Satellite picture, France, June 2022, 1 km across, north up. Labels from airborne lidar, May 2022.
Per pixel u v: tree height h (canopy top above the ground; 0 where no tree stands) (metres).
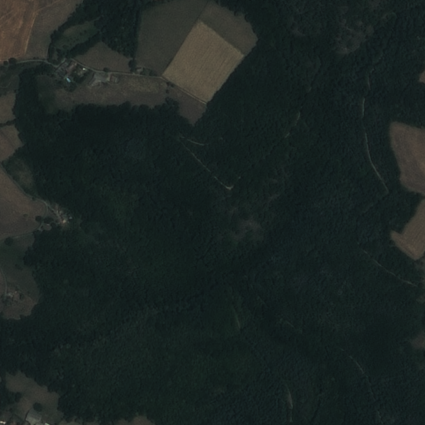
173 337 13
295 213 20
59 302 11
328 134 22
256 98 21
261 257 16
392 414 7
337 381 24
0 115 0
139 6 27
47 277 14
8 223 0
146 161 19
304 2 8
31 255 21
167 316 25
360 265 16
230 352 19
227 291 20
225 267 12
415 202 15
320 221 15
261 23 19
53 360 15
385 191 16
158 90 0
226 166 14
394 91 13
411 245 0
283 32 29
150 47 0
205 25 0
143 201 31
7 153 0
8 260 0
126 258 13
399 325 12
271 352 19
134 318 22
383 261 15
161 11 0
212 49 0
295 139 22
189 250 32
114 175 27
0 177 0
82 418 14
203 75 0
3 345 24
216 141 11
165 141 12
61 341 21
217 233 15
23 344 25
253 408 24
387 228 16
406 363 12
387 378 9
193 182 9
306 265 14
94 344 19
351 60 16
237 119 17
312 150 13
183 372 11
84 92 0
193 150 7
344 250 11
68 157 13
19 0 0
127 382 12
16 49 0
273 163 22
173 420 16
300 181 23
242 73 18
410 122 14
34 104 16
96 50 0
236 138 16
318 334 18
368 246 19
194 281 30
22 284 0
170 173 12
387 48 9
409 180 0
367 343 17
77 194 16
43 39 0
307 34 14
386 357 13
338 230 11
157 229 24
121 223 11
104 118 14
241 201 10
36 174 11
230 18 0
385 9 8
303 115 16
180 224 21
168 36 0
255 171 23
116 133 10
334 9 18
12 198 0
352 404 17
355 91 16
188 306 16
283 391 20
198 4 0
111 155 23
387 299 14
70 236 9
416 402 9
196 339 13
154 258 13
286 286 14
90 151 20
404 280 11
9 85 0
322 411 19
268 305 14
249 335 23
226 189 9
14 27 0
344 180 9
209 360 12
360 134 12
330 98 19
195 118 0
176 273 21
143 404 15
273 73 19
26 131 20
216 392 17
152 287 21
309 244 13
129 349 14
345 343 14
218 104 17
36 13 0
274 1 9
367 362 12
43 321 12
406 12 22
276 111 23
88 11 14
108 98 0
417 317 9
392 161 6
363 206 18
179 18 0
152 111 13
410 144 0
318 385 15
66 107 0
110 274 16
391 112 12
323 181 16
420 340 0
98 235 9
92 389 14
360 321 12
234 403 25
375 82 10
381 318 13
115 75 0
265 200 10
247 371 12
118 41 17
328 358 13
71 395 15
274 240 30
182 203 15
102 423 9
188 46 0
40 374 20
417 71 8
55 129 11
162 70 0
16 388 0
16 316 0
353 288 11
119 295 19
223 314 15
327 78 30
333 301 13
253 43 0
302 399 14
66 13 0
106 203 12
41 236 14
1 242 0
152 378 11
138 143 20
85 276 22
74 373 16
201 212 14
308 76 19
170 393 15
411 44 13
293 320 13
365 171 17
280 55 22
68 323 16
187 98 0
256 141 22
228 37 0
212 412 16
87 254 10
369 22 15
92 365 12
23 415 0
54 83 0
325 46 7
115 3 21
